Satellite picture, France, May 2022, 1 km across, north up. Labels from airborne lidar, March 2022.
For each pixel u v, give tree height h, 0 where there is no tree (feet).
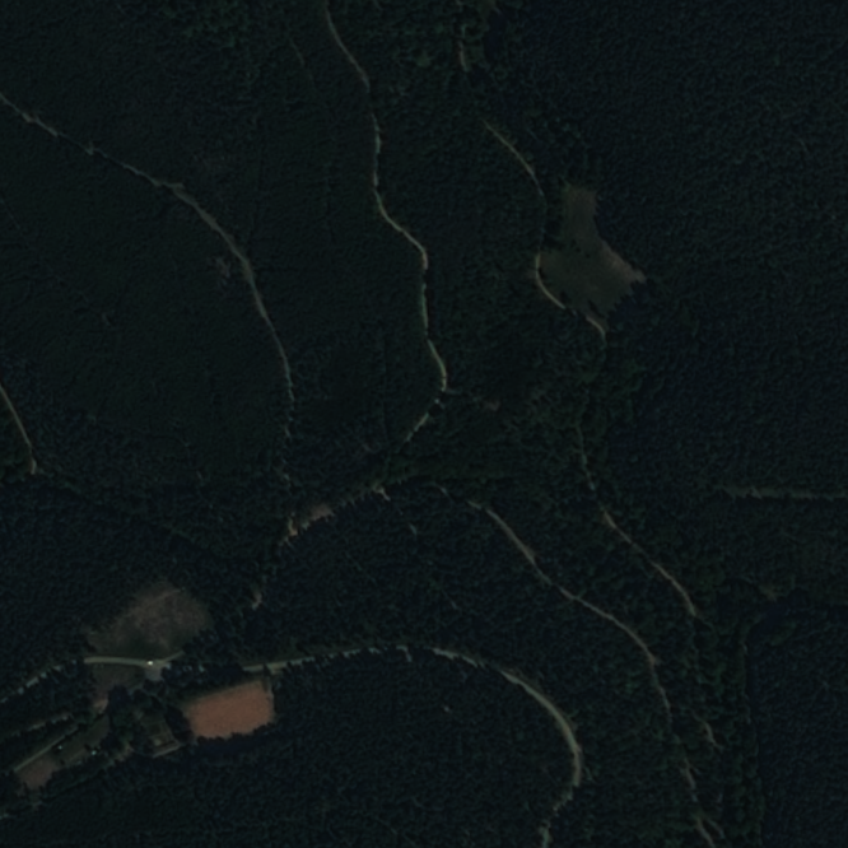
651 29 79
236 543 73
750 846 106
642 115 79
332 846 84
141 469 88
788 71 67
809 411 96
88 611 91
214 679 94
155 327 44
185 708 0
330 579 89
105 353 53
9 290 32
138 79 73
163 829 29
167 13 75
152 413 47
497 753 88
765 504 51
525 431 34
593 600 97
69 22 60
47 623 93
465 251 35
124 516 40
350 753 76
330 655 0
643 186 95
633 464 98
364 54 54
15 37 52
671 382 93
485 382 30
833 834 85
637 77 69
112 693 0
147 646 0
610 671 86
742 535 62
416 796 91
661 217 68
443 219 44
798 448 73
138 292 44
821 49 92
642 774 90
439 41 35
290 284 52
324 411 44
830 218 77
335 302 45
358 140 46
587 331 42
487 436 34
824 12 89
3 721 50
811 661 87
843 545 77
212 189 58
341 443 91
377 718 76
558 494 69
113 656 0
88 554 85
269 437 38
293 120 52
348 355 44
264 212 49
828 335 97
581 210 0
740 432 79
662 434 105
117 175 64
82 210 48
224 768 88
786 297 80
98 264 50
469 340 35
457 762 76
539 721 94
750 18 75
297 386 38
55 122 51
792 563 78
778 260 54
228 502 85
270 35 41
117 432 34
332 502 82
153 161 61
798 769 112
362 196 57
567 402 64
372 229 58
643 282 0
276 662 0
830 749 81
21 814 38
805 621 78
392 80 39
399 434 52
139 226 57
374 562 90
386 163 57
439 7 35
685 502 99
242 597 100
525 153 80
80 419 81
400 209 52
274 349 53
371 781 89
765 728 87
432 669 89
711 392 76
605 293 0
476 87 85
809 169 88
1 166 43
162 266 49
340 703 82
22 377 99
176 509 89
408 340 52
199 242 47
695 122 78
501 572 89
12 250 45
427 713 84
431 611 95
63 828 30
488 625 95
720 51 86
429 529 76
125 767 30
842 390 81
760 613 94
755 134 88
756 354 93
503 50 84
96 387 33
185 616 0
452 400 26
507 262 34
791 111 79
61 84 66
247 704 0
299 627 87
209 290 46
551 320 19
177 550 84
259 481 27
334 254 60
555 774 75
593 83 90
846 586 100
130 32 72
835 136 85
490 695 88
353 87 53
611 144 104
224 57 94
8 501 73
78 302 47
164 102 76
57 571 81
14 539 85
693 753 89
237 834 38
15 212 48
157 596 0
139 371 47
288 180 52
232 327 47
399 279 55
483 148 35
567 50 100
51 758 0
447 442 29
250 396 43
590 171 122
